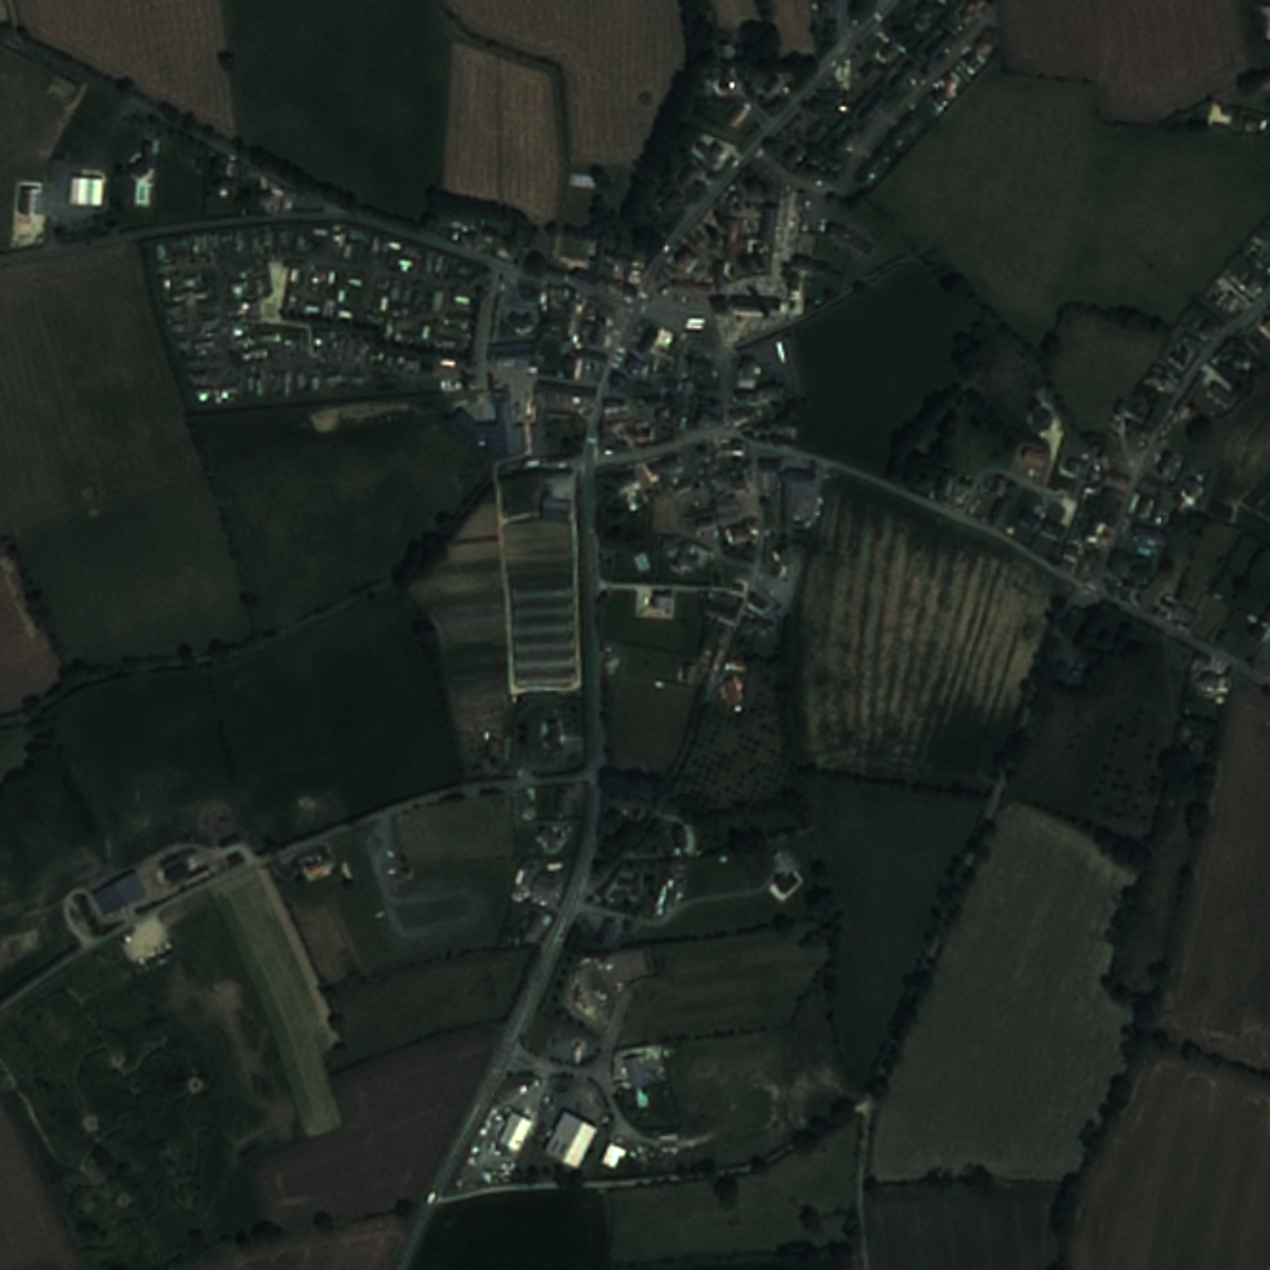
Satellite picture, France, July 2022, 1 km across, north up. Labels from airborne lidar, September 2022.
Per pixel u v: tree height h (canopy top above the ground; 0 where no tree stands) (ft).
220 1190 0
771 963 0
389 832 0
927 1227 0
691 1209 0
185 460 0
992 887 0
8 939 0
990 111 0
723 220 41
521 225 48
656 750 0
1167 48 0
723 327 0
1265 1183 0
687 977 0
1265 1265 0
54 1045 0
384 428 0
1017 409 0
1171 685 0
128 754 0
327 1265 0
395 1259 0
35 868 0
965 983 0
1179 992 0
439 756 0
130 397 0
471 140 0
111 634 0
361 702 0
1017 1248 0
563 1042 0
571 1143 0
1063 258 0
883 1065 38
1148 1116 0
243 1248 43
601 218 40
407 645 0
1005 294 0
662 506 0
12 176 0
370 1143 0
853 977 0
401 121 0
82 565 0
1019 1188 0
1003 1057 0
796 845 0
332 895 0
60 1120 0
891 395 0
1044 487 0
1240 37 0
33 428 0
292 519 0
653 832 29
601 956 20
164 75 0
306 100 0
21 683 0
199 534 0
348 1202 0
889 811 0
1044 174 0
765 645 0
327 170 0
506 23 0
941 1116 0
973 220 0
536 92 0
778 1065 0
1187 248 0
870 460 0
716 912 0
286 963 0
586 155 0
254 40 0
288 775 0
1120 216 0
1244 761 0
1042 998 0
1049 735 0
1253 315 0
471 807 0
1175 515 25
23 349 0
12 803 0
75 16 0
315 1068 0
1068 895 0
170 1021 0
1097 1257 0
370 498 0
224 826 0
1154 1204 0
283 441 0
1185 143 0
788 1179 0
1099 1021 0
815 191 0
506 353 0
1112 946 65
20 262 0
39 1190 0
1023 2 0
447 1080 0
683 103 39
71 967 0
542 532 0
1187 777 46
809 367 0
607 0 0
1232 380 22
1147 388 20
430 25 0
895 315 0
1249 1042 0
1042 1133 0
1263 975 0
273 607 0
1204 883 0
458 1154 0
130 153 0
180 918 0
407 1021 0
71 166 0
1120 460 0
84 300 0
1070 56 0
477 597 0
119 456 0
